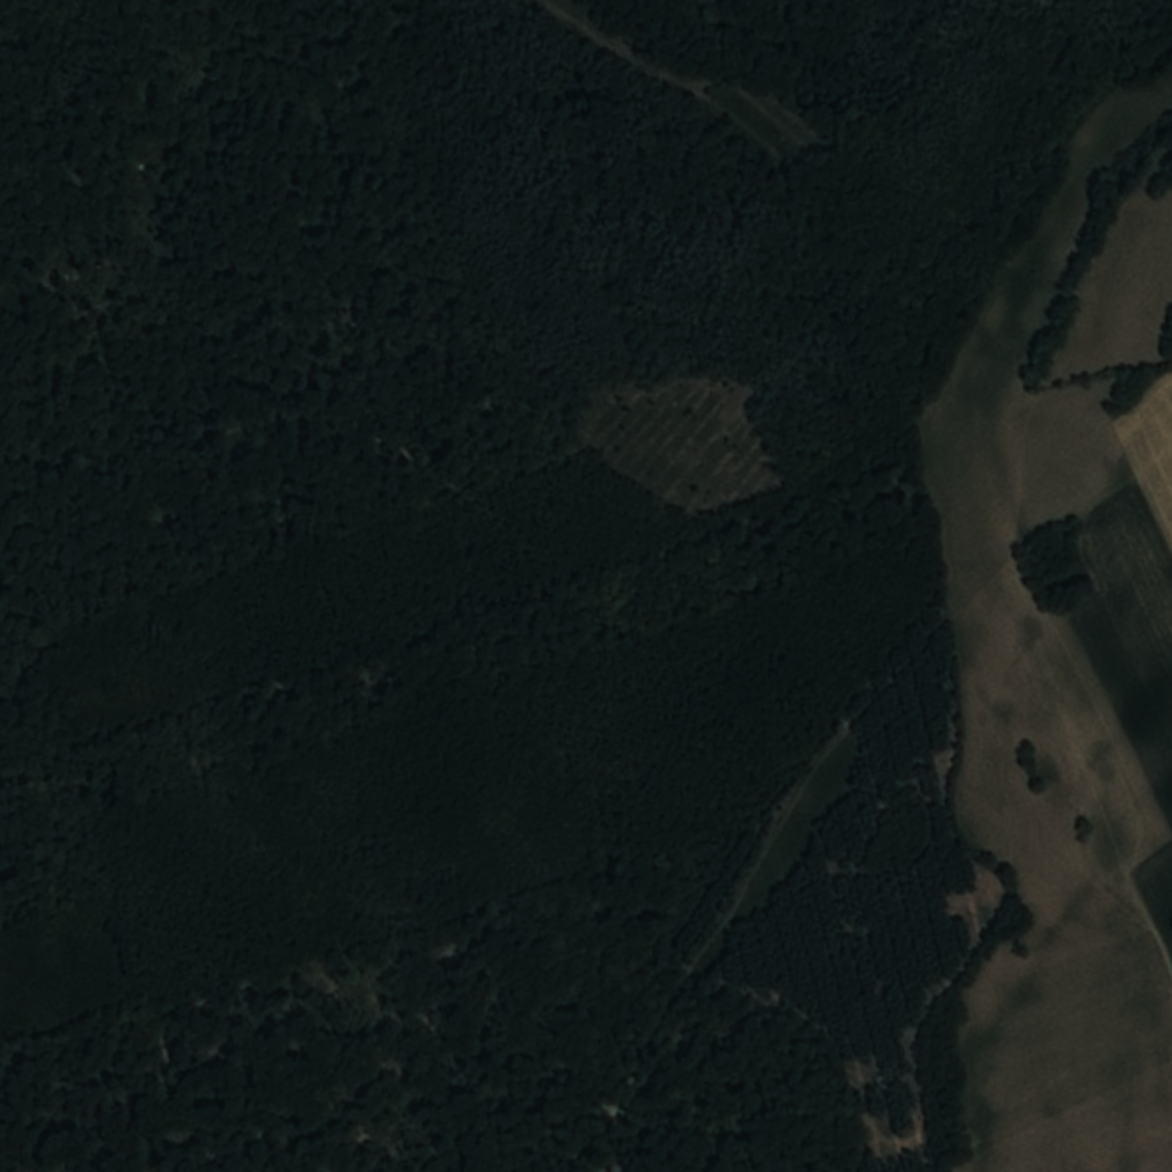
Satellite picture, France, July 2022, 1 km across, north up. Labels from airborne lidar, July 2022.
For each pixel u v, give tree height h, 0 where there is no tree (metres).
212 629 13
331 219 19
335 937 16
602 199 20
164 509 26
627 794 18
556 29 24
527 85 22
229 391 28
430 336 20
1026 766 13
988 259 27
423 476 21
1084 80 24
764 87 22
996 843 0
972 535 0
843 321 23
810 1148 23
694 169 23
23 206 24
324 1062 21
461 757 15
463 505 11
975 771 0
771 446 18
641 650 14
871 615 20
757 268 19
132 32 20
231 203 22
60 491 25
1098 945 0
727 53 22
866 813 14
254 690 17
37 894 21
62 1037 22
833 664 19
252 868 14
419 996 26
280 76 21
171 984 19
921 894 14
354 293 22
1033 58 14
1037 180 22
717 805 18
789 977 15
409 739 17
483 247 14
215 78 21
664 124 17
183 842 16
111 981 12
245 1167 25
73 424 21
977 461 0
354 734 13
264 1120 23
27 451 20
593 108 29
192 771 16
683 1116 30
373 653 19
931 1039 13
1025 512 0
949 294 26
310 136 22
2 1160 20
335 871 13
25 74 21
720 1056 24
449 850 15
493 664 12
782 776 18
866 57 24
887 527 23
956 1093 14
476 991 27
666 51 27
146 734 21
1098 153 0
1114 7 20
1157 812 0
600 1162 29
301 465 26
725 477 0
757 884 0
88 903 10
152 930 17
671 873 21
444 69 13
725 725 19
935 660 15
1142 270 0
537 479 15
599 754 15
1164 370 12
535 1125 23
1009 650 0
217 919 19
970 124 14
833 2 27
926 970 17
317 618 16
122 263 19
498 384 25
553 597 21
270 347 21
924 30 23
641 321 9
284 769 19
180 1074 10
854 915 12
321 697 22
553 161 14
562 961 21
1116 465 0
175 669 14
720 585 18
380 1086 18
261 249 23
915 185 11
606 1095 22
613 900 28
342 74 23
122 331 23
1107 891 0
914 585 17
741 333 22
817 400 23
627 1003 21
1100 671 0
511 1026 21
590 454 17
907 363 21
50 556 20
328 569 12
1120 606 0
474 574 12
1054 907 0
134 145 25
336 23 26
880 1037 17
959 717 9
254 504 12
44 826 23
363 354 19
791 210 25
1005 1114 0
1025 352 0
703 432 0
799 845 0
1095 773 0
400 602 15
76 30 19
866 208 10
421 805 22
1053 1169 0
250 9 27
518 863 13
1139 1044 0
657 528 14
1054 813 0
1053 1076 0
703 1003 23
